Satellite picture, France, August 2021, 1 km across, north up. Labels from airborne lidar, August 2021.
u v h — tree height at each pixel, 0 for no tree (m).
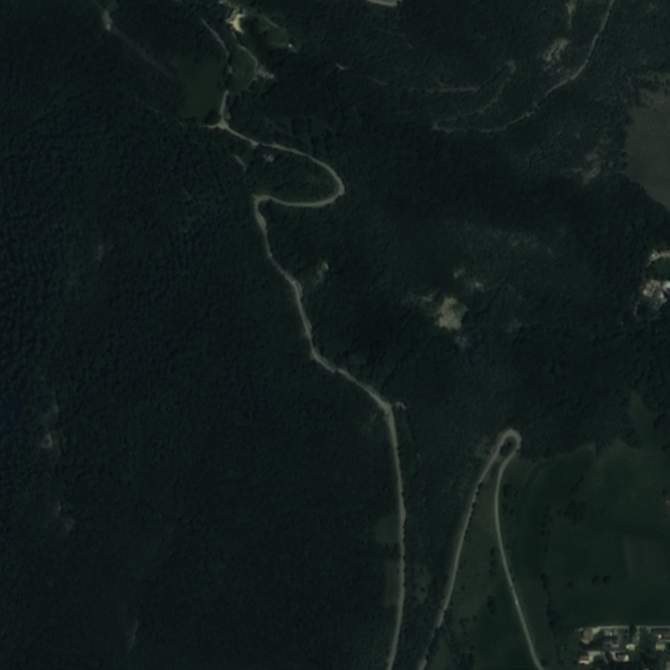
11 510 9
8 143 12
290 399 26
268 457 26
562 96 16
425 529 9
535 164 10
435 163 23
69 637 26
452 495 8
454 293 16
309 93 29
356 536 20
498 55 10
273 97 19
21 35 21
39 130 24
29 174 32
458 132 11
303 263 26
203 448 22
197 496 26
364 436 7
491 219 9
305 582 25
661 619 0
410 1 18
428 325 26
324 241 19
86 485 30
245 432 30
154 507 20
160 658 13
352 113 38
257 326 28
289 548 26
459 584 0
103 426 23
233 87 15
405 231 12
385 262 18
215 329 27
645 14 9
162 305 32
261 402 26
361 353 18
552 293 11
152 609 24
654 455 0
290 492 27
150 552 13
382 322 23
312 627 11
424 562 9
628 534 0
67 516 13
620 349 15
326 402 18
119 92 13
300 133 18
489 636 0
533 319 13
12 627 14
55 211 24
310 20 11
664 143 0
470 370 10
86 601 14
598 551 0
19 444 14
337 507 22
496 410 7
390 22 13
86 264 10
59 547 17
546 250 7
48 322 18
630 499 0
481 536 0
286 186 14
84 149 14
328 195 7
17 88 20
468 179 25
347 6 15
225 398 29
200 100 0
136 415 26
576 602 0
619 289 10
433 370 25
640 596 0
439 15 18
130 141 29
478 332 11
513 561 0
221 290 24
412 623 9
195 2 26
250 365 28
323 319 17
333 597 22
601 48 6
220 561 26
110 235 19
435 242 11
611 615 0
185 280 24
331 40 13
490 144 17
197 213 22
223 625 23
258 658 13
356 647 16
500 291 11
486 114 7
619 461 0
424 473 9
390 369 16
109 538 16
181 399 26
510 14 13
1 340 24
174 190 25
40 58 24
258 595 24
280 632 18
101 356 26
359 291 23
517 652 0
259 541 26
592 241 17
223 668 12
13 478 26
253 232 21
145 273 20
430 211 13
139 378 26
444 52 10
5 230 19
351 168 21
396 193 30
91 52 18
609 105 6
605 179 9
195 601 23
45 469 16
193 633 17
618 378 20
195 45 19
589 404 17
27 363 21
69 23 16
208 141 18
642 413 0
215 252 30
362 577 25
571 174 6
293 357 21
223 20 20
